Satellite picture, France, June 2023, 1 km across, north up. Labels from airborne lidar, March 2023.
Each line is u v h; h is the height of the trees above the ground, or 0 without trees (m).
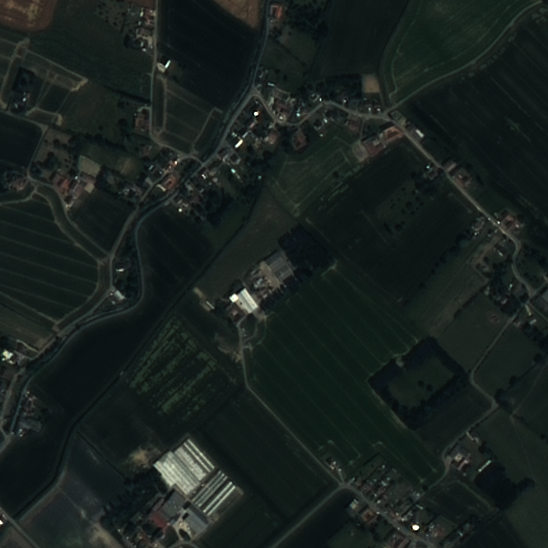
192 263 0
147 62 0
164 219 0
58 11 0
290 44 0
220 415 0
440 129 0
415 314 0
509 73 0
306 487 0
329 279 0
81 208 0
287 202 0
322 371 0
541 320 0
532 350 0
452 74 0
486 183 0
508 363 0
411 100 0
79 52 0
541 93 0
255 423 0
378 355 0
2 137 0
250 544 0
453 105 0
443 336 0
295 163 0
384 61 0
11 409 0
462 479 0
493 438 0
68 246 0
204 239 0
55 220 0
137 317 0
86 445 0
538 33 0
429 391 11
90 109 0
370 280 0
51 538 0
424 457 0
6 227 0
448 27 0
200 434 0
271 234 0
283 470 0
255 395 0
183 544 0
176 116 0
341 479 0
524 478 0
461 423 0
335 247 0
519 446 0
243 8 0
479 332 0
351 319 0
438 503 0
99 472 0
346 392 0
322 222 0
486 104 0
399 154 0
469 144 0
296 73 0
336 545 0
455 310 0
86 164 0
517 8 0
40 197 0
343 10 0
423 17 0
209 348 0
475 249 0
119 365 0
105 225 0
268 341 0
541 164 0
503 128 0
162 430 0
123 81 0
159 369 0
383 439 0
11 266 0
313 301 0
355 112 0
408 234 0
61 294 0
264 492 0
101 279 0
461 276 0
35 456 0
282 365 0
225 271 0
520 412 0
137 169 0
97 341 0
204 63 0
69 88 0
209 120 0
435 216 0
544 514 0
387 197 0
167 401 0
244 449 0
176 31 0
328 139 0
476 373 0
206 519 9
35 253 0
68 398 0
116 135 0
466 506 0
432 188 16
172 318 0
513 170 0
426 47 0
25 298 0
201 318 0
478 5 0
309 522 0
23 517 0
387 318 0
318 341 0
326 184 0
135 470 0
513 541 0
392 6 0
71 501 0
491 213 0
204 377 0
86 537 0
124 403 0
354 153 0
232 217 0
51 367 0
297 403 0
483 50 0
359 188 0
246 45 0
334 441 0
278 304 0
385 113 0
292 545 0
